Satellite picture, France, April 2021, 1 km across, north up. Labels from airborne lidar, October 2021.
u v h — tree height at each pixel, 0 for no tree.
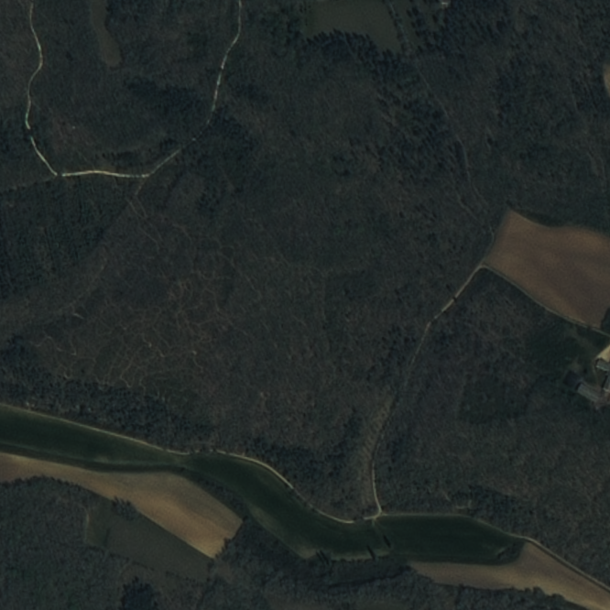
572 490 12
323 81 15
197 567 0
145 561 0
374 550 0
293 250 18
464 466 11
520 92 14
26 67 13
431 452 13
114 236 13
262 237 16
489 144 8
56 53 10
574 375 0
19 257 7
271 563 7
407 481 6
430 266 11
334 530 0
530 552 0
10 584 17
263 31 15
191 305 7
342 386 11
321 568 6
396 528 0
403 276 18
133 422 12
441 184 13
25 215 13
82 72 17
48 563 16
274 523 0
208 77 10
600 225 18
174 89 6
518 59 13
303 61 18
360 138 13
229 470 0
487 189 14
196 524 0
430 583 14
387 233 17
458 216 13
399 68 17
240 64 13
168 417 11
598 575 11
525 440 14
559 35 13
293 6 16
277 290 16
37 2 11
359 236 19
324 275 14
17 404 10
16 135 13
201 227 11
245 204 15
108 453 0
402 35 10
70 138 14
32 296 13
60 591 20
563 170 12
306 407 9
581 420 16
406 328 10
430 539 0
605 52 15
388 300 11
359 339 8
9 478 0
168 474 0
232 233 13
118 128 17
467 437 14
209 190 15
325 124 14
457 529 0
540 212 16
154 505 0
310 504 9
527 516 10
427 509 19
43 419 0
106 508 0
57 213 11
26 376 11
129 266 13
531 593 12
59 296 7
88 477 0
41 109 11
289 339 12
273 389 13
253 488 0
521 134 12
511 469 11
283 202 19
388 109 19
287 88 20
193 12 15
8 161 13
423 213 12
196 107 15
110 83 18
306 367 13
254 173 12
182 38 13
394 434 9
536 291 0
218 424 10
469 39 22
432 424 12
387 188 13
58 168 13
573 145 14
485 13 24
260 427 10
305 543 0
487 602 14
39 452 0
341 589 13
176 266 11
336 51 25
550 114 8
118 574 11
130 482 0
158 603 6
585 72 13
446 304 10
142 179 11
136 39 11
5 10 11
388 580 15
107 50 0
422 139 18
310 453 9
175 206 18
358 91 14
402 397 16
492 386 5
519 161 12
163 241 11
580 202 17
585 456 15
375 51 17
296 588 17
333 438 11
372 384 9
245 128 11
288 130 13
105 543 0
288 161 13
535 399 14
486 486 10
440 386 11
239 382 17
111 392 10
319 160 13
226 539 0
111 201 9
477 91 13
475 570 0
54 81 12
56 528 11
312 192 21
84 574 21
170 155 11
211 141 14
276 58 21
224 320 11
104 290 12
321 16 0
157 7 12
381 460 15
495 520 15
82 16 19
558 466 13
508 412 6
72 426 0
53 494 15
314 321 13
